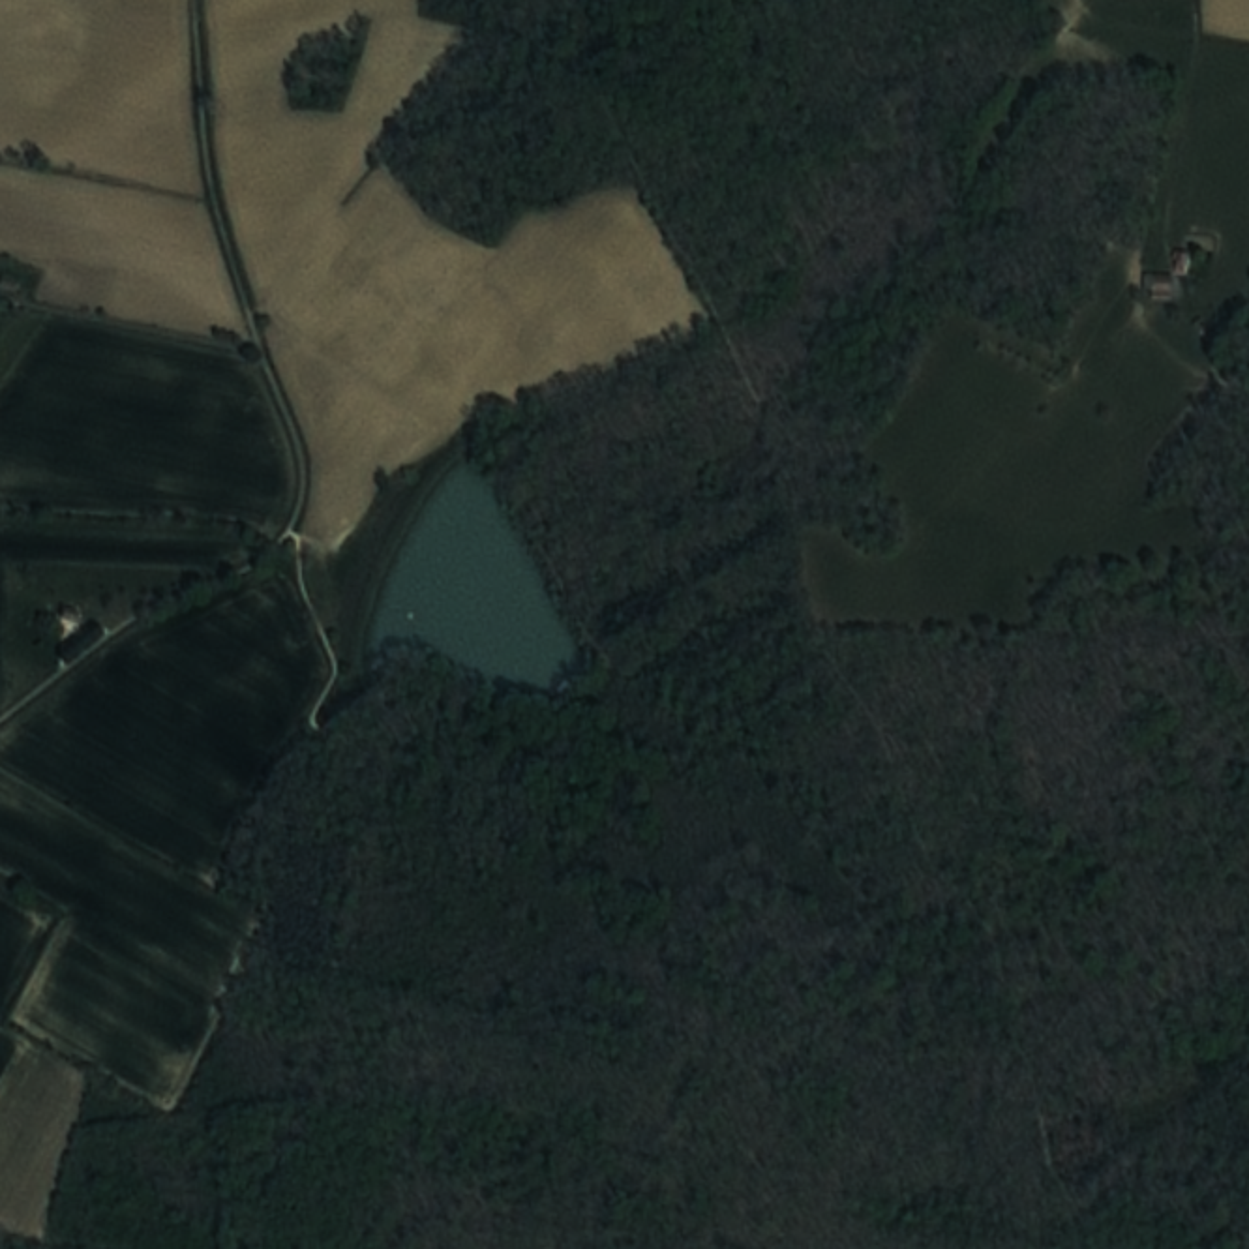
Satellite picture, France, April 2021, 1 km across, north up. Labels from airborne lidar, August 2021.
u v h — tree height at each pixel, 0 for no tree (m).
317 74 16
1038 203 18
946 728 16
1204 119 0
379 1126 22
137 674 0
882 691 14
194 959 0
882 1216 19
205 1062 7
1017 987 21
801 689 21
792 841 18
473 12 16
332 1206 19
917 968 22
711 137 25
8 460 0
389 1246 15
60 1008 0
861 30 20
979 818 20
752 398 13
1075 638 15
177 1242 12
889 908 18
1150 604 21
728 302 21
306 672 0
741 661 15
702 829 18
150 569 0
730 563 15
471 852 18
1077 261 21
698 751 14
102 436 0
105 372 0
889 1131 21
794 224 18
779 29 23
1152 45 0
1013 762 18
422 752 22
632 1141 17
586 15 12
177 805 0
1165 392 0
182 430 0
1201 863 21
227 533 12
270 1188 21
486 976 9
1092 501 0
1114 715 14
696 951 19
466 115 12
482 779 21
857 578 0
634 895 21
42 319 0
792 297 18
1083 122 17
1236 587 23
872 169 16
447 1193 15
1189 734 17
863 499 18
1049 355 18
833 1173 18
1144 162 16
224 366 0
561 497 15
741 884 25
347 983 20
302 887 14
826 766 23
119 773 0
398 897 7
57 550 0
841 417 18
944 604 0
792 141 21
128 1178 13
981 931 17
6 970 0
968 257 24
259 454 0
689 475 9
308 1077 15
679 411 17
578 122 24
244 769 0
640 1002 22
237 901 14
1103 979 16
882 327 28
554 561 15
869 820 22
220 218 0
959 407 0
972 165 21
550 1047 20
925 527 0
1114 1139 14
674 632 20
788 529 14
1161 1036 21
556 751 22
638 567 20
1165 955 20
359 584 0
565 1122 20
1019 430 0
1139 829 20
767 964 22
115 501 0
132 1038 0
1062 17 13
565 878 18
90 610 0
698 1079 17
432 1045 15
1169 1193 23
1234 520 18
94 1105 6
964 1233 16
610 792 21
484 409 16
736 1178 16
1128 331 0
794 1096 21
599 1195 15
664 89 28
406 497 0
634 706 14
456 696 23
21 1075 0
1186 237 0
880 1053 16
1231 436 17
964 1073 13
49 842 0
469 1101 19
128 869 0
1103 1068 12
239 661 0
